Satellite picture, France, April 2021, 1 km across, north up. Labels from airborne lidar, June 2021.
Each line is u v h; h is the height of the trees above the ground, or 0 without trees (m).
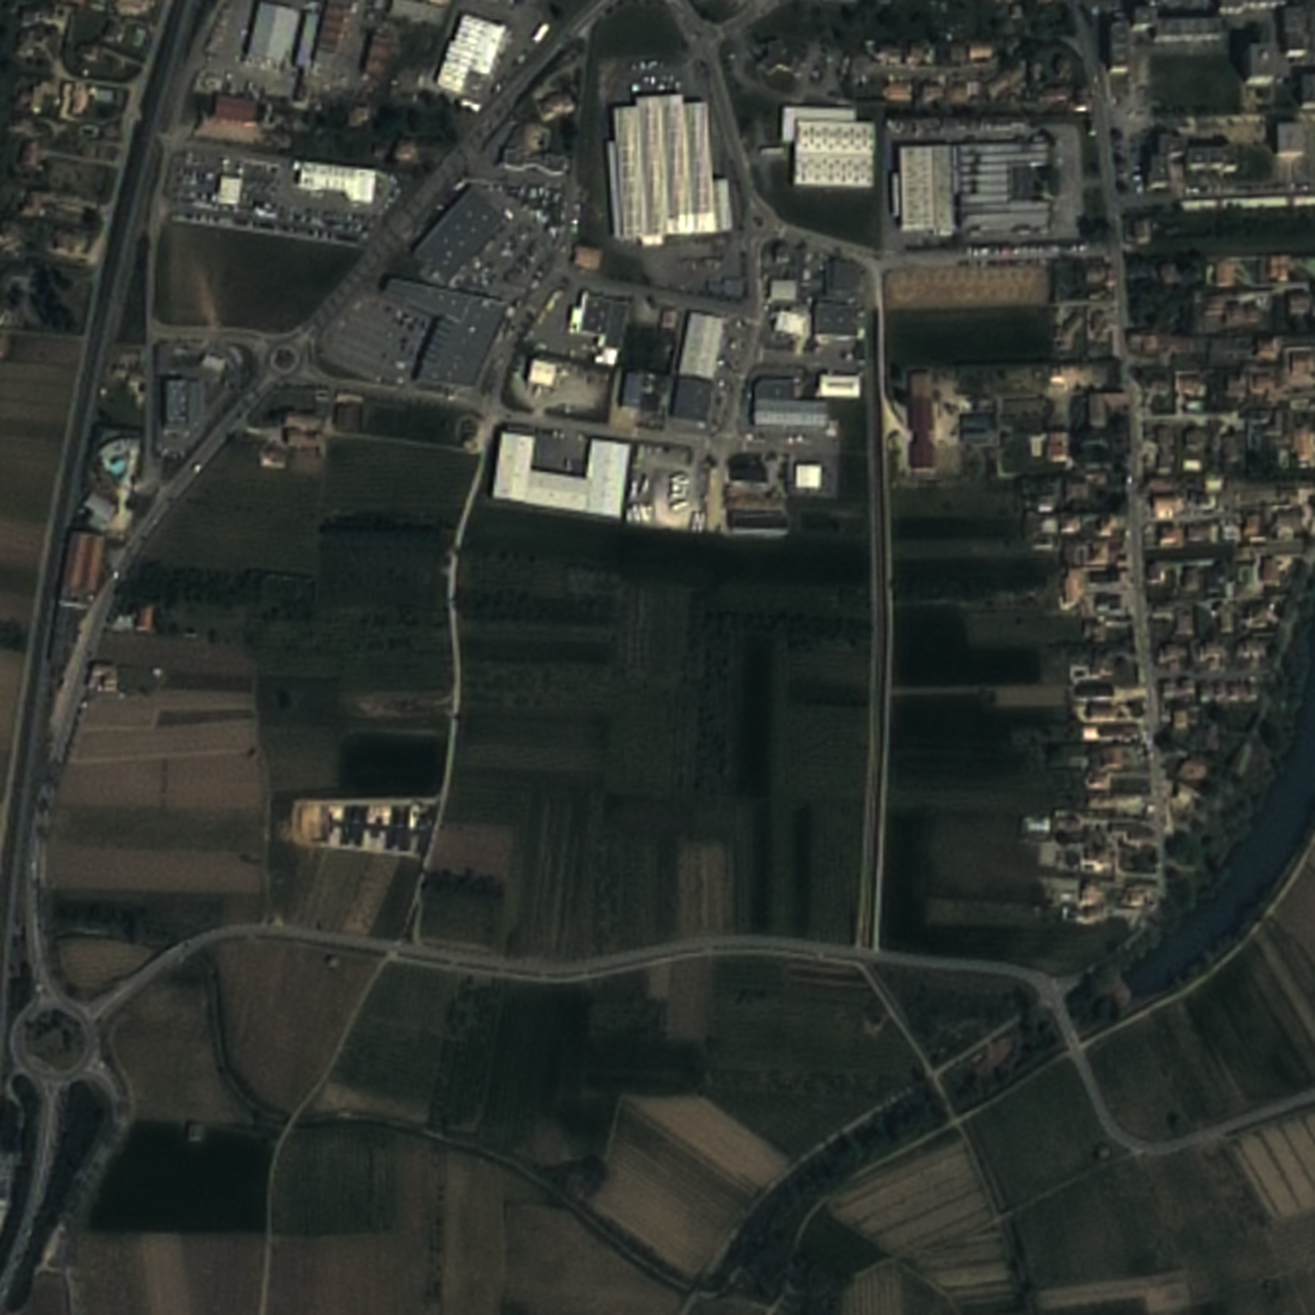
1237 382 0
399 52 0
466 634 0
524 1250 0
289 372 0
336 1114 0
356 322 0
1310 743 0
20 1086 7
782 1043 0
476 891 12
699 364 0
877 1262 0
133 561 8
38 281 6
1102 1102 0
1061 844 10
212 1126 0
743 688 0
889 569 0
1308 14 14
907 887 0
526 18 0
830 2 0
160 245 0
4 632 11
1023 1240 7
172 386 0
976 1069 0
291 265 0
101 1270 0
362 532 8
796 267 0
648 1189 0
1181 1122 8
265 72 0
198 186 0
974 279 0
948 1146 0
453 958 0
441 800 0
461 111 12
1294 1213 0
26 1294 7
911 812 0
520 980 0
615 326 0
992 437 0
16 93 7
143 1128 0
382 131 11
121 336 0
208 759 0
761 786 0
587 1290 0
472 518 0
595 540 0
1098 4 0
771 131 0
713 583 0
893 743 0
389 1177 0
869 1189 0
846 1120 0
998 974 0
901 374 9
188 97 0
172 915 0
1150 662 0
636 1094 0
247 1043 0
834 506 0
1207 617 6
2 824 0
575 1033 0
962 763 0
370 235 0
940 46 11
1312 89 0
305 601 7
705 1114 0
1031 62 8
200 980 0
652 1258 8
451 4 0
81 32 0
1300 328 12
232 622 0
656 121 0
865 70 0
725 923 0
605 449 0
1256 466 10
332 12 0
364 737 0
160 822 0
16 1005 10
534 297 0
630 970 0
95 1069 0
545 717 0
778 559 0
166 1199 0
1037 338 0
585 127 0
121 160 0
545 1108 0
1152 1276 0
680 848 0
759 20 0
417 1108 0
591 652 0
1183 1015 0
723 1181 0
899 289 0
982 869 0
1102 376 0
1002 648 0
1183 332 7
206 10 9
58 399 0
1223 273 0
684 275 0
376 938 0
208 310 0
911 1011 6
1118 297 0
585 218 0
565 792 0
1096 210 0
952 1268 0
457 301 0
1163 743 11
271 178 0
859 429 0
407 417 0
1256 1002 0
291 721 0
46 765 0
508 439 0
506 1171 0
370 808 0
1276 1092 0
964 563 0
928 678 0
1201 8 0
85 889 0
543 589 0
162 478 0
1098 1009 18
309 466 0
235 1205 0
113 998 0
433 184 0
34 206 0
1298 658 11
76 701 0
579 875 0
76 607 0
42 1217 6
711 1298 12
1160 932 12
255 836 0
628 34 0
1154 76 0
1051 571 0
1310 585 6
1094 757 9
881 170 0
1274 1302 0
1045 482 6
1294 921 0
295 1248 0
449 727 0
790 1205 17
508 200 0
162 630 13
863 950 0
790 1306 19
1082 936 0
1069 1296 0
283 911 0
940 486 0
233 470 0
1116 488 0
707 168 0
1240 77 0
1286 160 0
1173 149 0
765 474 0
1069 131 0
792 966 0
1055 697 0
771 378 0
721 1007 0
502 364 0
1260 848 0
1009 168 0
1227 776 8
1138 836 0
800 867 0
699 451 0
